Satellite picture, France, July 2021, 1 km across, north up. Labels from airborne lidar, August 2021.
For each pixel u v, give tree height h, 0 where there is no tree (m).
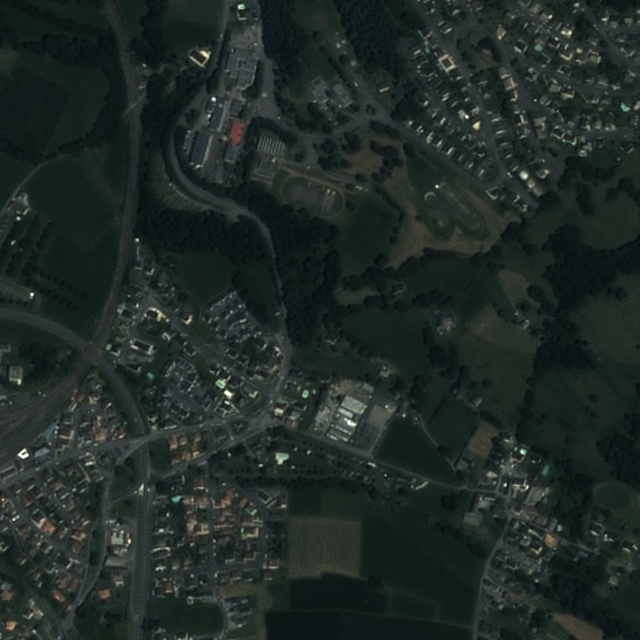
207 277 0
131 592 0
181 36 0
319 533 0
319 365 0
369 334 0
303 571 0
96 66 20
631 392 0
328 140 0
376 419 0
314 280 6
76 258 0
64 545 0
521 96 0
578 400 0
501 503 9
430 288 0
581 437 0
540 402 0
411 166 0
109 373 0
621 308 0
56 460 0
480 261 13
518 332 0
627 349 0
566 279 18
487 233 0
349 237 0
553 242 14
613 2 9
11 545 8
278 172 0
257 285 0
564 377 0
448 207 0
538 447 6
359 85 0
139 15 0
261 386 0
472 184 0
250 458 14
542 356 21
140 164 6
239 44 0
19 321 0
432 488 0
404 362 0
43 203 0
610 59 14
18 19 0
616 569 8
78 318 0
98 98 0
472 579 0
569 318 7
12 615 0
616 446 18
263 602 0
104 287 0
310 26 0
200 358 0
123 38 0
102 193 0
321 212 0
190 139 0
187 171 16
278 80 7
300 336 26
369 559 0
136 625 0
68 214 0
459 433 0
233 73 0
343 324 18
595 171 21
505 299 0
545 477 0
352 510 0
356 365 0
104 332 0
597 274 21
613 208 0
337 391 0
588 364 18
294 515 0
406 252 0
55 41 27
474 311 0
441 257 14
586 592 23
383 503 0
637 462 22
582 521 11
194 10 0
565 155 0
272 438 6
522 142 9
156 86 26
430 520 20
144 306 0
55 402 0
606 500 0
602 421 0
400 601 0
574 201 0
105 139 19
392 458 0
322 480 8
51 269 0
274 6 25
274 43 26
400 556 0
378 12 28
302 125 18
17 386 7
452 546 0
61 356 0
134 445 0
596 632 0
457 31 0
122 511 0
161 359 0
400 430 0
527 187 9
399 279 18
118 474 13
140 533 0
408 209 0
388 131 19
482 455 0
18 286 0
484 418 14
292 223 14
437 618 0
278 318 0
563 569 21
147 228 20
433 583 0
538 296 21
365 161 0
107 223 0
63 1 19
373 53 28
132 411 0
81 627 0
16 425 0
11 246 10
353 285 21
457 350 9
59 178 0
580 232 8
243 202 21
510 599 0
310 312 25
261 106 0
